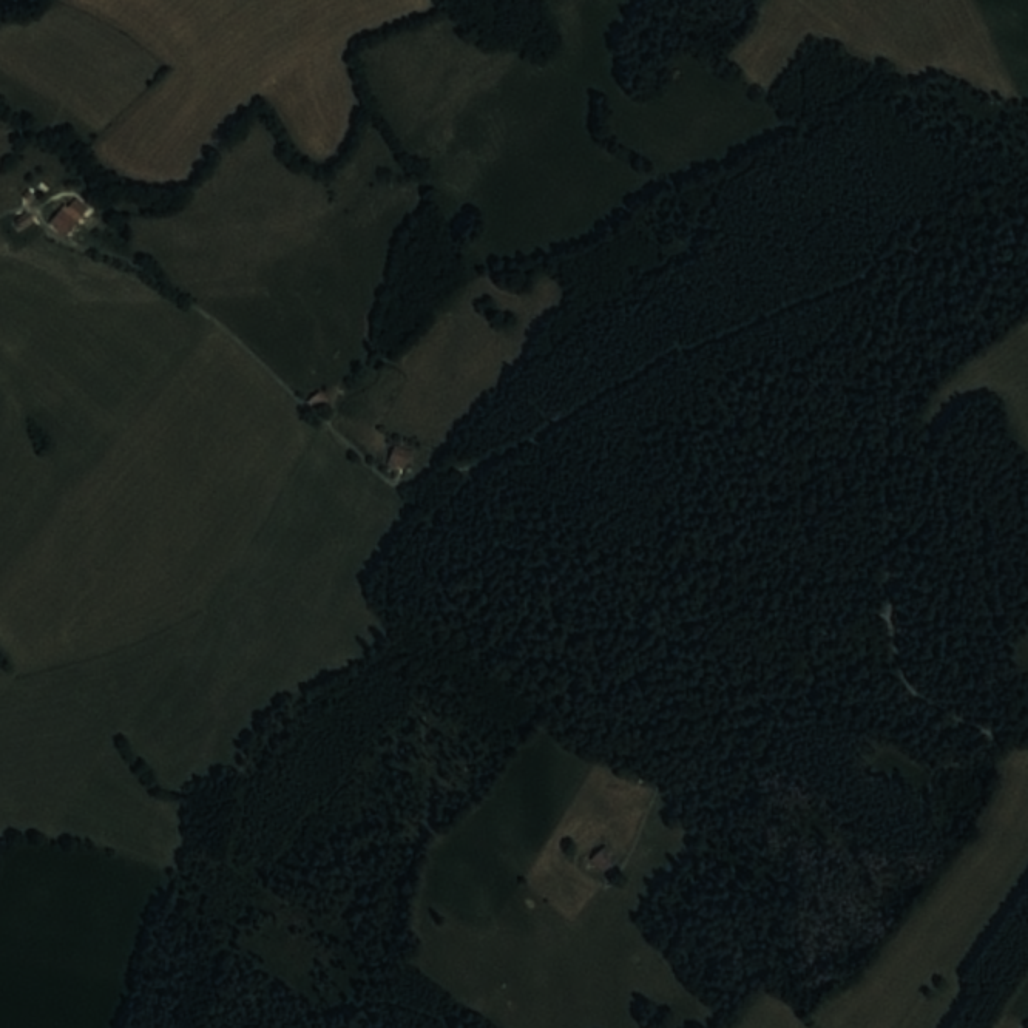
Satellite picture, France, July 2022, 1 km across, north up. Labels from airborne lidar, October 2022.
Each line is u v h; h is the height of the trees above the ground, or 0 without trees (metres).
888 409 28
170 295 16
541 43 18
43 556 0
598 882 0
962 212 20
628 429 23
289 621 0
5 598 0
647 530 17
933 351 27
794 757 0
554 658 31
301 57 0
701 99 0
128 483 0
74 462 0
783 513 26
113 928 0
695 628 31
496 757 12
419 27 15
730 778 30
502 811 0
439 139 0
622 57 24
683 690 30
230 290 0
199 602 0
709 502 25
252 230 0
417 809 18
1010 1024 0
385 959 17
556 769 0
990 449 32
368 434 0
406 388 0
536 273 14
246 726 0
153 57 0
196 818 15
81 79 0
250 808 8
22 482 0
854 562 26
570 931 0
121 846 0
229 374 0
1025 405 0
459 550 27
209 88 0
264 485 0
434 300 16
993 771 9
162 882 0
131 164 0
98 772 0
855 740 0
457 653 16
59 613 0
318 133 0
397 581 18
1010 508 27
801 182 16
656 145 0
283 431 0
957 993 0
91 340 0
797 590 21
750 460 27
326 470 0
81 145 16
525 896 0
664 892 28
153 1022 28
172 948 24
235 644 0
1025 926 22
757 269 19
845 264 17
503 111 0
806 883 35
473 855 0
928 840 0
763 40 0
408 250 16
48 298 0
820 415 26
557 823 0
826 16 0
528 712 9
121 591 0
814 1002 12
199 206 0
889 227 18
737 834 31
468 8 17
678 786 29
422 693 19
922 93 12
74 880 0
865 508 29
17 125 7
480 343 0
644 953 0
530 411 24
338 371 0
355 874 31
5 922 0
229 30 0
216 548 0
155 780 16
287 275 0
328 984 21
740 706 31
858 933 6
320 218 0
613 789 0
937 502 28
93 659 0
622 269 12
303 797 7
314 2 0
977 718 15
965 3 0
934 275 31
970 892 0
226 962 27
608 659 27
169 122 0
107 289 0
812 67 9
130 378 0
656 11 21
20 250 0
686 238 19
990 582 27
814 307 20
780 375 25
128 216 12
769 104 11
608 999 0
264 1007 25
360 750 6
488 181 0
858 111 17
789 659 26
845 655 22
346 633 0
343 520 0
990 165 15
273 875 10
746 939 33
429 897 0
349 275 0
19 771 0
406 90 0
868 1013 0
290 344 0
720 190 16
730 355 20
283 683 0
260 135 0
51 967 0
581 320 15
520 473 21
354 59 14
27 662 0
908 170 17
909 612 20
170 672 0
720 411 20
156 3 0
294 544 0
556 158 0
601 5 0
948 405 0
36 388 0
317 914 8
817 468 27
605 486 21
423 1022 20
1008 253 25
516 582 29
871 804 0
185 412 0
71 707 0
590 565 15
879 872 10
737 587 23
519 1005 0
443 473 15
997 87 0
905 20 0
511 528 21
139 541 0
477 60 0
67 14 0
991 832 0
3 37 0
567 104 0
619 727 28
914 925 0
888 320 14
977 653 26
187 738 0
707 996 30
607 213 0
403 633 9
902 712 29
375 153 0
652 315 22
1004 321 22
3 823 0
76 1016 0
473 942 0
